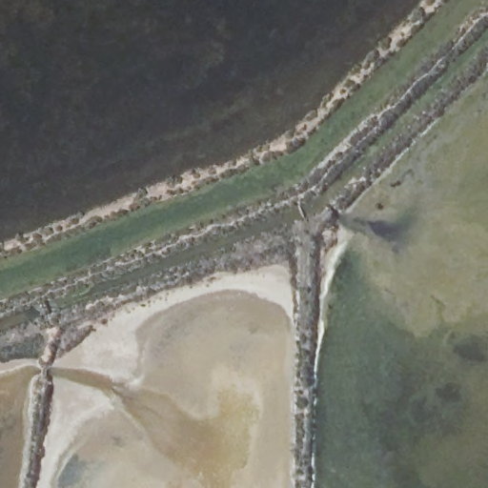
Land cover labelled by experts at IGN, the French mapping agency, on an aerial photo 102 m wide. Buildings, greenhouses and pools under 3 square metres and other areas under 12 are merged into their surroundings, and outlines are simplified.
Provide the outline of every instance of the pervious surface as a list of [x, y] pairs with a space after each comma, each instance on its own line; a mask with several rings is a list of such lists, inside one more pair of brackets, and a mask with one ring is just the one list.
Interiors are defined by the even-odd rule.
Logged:
[[135, 330], [154, 313], [164, 311], [175, 303], [189, 301], [198, 295], [213, 294], [221, 290], [244, 290], [261, 299], [278, 303], [286, 311], [288, 318], [294, 318], [295, 315], [288, 265], [269, 265], [248, 273], [208, 274], [193, 286], [152, 295], [149, 301], [145, 301], [145, 307], [132, 303], [116, 311], [107, 324], [97, 324], [95, 332], [88, 335], [76, 349], [72, 349], [71, 353], [57, 356], [53, 368], [86, 370], [99, 376], [111, 377], [112, 381], [124, 381], [135, 368]]
[[40, 480], [36, 488], [50, 488], [51, 478], [55, 475], [57, 457], [69, 446], [82, 421], [90, 417], [105, 416], [112, 410], [112, 402], [103, 391], [74, 383], [69, 379], [53, 379], [50, 427], [48, 435], [44, 438], [46, 454], [42, 457]]
[[23, 416], [25, 442], [17, 488], [25, 488], [29, 475], [36, 396], [46, 393], [44, 389], [36, 387], [36, 376], [30, 377], [27, 389], [27, 408]]
[[191, 173], [183, 173], [183, 179], [175, 183], [177, 189], [191, 187], [208, 177], [217, 177], [221, 173], [238, 170], [250, 164], [244, 156], [229, 160], [221, 166], [208, 166], [204, 170], [200, 168]]
[[99, 454], [99, 459], [107, 467], [99, 473], [99, 477], [86, 482], [86, 488], [204, 488], [202, 473], [194, 475], [191, 469], [179, 467], [168, 457], [158, 454], [152, 448], [151, 442], [135, 440], [128, 446], [116, 446], [112, 452]]
[[320, 349], [326, 330], [328, 292], [334, 278], [335, 265], [351, 238], [351, 231], [339, 227], [337, 246], [322, 263], [324, 276], [320, 284], [320, 315], [313, 364], [313, 372], [318, 372]]
[[368, 126], [364, 118], [339, 141], [339, 145], [335, 145], [334, 149], [316, 164], [318, 168], [326, 168], [328, 162], [332, 162], [339, 152], [347, 151], [356, 133], [362, 132]]
[[42, 366], [36, 358], [0, 362], [0, 376], [13, 374], [23, 368], [36, 368]]
[[132, 194], [80, 215], [78, 221], [82, 227], [88, 225], [95, 217], [107, 217], [120, 210], [128, 210], [135, 202], [135, 196]]

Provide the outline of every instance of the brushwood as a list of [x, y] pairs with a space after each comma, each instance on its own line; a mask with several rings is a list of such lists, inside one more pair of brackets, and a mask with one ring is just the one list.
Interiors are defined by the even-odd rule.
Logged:
[[[284, 185], [278, 185], [267, 193], [255, 194], [252, 198], [196, 217], [191, 223], [183, 223], [172, 229], [154, 233], [149, 238], [143, 238], [139, 244], [126, 246], [122, 250], [112, 250], [111, 255], [105, 259], [97, 259], [95, 263], [82, 265], [76, 271], [65, 273], [63, 276], [46, 278], [38, 286], [6, 292], [0, 297], [0, 318], [11, 315], [23, 307], [34, 307], [38, 311], [34, 322], [27, 328], [17, 328], [8, 334], [0, 335], [0, 362], [36, 358], [42, 366], [36, 368], [36, 376], [36, 387], [44, 389], [46, 393], [36, 396], [29, 475], [25, 488], [36, 488], [40, 480], [42, 457], [46, 454], [44, 438], [48, 435], [50, 427], [53, 379], [53, 368], [57, 356], [71, 353], [72, 349], [76, 349], [88, 335], [95, 332], [97, 324], [107, 324], [116, 311], [132, 303], [145, 307], [145, 301], [149, 301], [152, 295], [193, 286], [208, 274], [248, 273], [269, 265], [288, 265], [295, 315], [299, 316], [295, 370], [295, 488], [315, 488], [316, 456], [307, 450], [307, 444], [311, 438], [315, 438], [315, 435], [309, 433], [309, 412], [318, 404], [318, 398], [311, 391], [318, 387], [318, 372], [313, 372], [313, 364], [320, 315], [320, 284], [324, 276], [322, 263], [337, 246], [339, 227], [339, 215], [347, 215], [347, 208], [360, 194], [372, 187], [374, 177], [395, 160], [396, 154], [400, 154], [412, 143], [416, 145], [421, 139], [425, 139], [425, 135], [433, 132], [438, 126], [438, 116], [444, 116], [446, 109], [459, 99], [461, 91], [475, 84], [484, 69], [488, 71], [488, 0], [482, 0], [480, 6], [471, 11], [450, 34], [446, 34], [433, 50], [427, 51], [427, 55], [419, 59], [414, 71], [408, 72], [364, 118], [368, 126], [362, 132], [356, 133], [347, 151], [339, 152], [332, 162], [328, 162], [326, 168], [318, 168], [316, 164], [309, 172], [295, 177], [294, 181], [286, 181]], [[324, 210], [305, 217], [303, 198], [318, 191], [320, 194], [328, 194]], [[151, 274], [149, 278], [143, 278], [135, 292], [130, 294], [105, 295], [97, 299], [91, 299], [88, 294], [93, 284], [118, 278], [126, 271], [141, 267], [145, 257], [164, 255], [168, 250], [179, 248], [183, 242], [189, 242], [191, 238], [202, 238], [213, 233], [215, 229], [240, 225], [257, 215], [269, 215], [278, 208], [290, 206], [292, 202], [297, 202], [297, 219], [294, 225], [288, 223], [269, 233], [259, 234], [259, 238], [254, 236], [244, 242], [236, 242], [231, 248], [221, 248], [213, 252], [212, 257], [208, 259], [191, 259], [187, 263], [166, 269], [166, 273]]]
[[324, 97], [318, 111], [307, 112], [305, 118], [297, 122], [294, 130], [284, 133], [288, 145], [305, 139], [309, 132], [322, 122], [322, 118], [334, 109], [335, 103], [347, 97], [351, 90], [355, 90], [356, 84], [362, 82], [366, 74], [372, 74], [377, 65], [383, 63], [385, 55], [398, 50], [398, 42], [406, 38], [414, 27], [419, 27], [431, 11], [437, 10], [442, 0], [421, 0], [416, 8], [408, 13], [402, 25], [398, 25], [387, 38], [381, 38], [377, 48], [372, 48], [364, 55], [360, 71], [343, 76], [341, 82], [335, 86], [334, 93]]
[[149, 189], [137, 189], [132, 194], [135, 196], [135, 202], [128, 210], [135, 215], [152, 208], [162, 208], [168, 202], [166, 183], [152, 185]]
[[53, 221], [44, 227], [38, 227], [30, 233], [19, 234], [17, 238], [11, 238], [8, 242], [0, 242], [0, 265], [15, 259], [23, 259], [27, 254], [36, 254], [53, 246], [61, 246], [80, 234], [91, 233], [99, 227], [105, 227], [111, 223], [111, 219], [107, 217], [95, 217], [88, 225], [82, 227], [78, 221], [80, 215], [74, 213], [61, 221]]
[[263, 145], [261, 149], [252, 149], [244, 156], [250, 164], [238, 170], [221, 173], [217, 177], [208, 177], [191, 187], [194, 193], [200, 193], [212, 189], [219, 181], [229, 181], [250, 170], [261, 168], [263, 158], [273, 152], [271, 143]]

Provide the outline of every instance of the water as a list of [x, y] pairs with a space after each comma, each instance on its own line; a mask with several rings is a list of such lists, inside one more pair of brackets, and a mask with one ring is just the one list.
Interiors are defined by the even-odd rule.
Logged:
[[433, 132], [425, 135], [425, 139], [421, 139], [416, 145], [412, 143], [400, 154], [396, 154], [395, 160], [374, 177], [372, 187], [360, 194], [347, 208], [347, 215], [339, 215], [339, 227], [351, 231], [351, 238], [335, 265], [334, 278], [328, 292], [326, 330], [320, 349], [318, 372], [318, 387], [311, 391], [318, 398], [318, 404], [309, 412], [309, 433], [315, 435], [315, 438], [311, 438], [307, 444], [307, 450], [316, 456], [315, 488], [488, 488], [488, 71], [484, 69], [475, 84], [461, 91], [459, 99], [446, 109], [444, 116], [438, 116], [438, 126]]
[[124, 381], [112, 381], [111, 377], [99, 376], [86, 370], [53, 368], [53, 379], [69, 379], [74, 383], [103, 391], [112, 402], [112, 410], [105, 416], [90, 417], [82, 421], [69, 446], [57, 457], [55, 475], [51, 478], [50, 488], [86, 488], [86, 482], [99, 477], [99, 473], [107, 467], [99, 459], [99, 454], [112, 452], [116, 446], [128, 446], [135, 440], [151, 442], [152, 448], [158, 454], [168, 457], [179, 467], [191, 469], [194, 475], [202, 473], [204, 488], [295, 488], [295, 370], [299, 316], [295, 315], [294, 318], [288, 318], [286, 311], [278, 303], [261, 299], [244, 290], [221, 290], [213, 294], [198, 295], [189, 301], [175, 303], [164, 311], [154, 313], [135, 330], [135, 368]]
[[30, 377], [36, 376], [36, 368], [23, 368], [13, 374], [0, 376], [0, 488], [17, 488], [25, 442], [23, 416], [27, 408], [27, 389]]
[[[294, 181], [295, 177], [309, 172], [316, 164], [334, 149], [335, 145], [339, 145], [339, 141], [364, 118], [408, 72], [414, 71], [419, 59], [427, 55], [427, 51], [433, 50], [446, 34], [450, 34], [471, 11], [480, 6], [482, 0], [442, 0], [437, 10], [431, 11], [419, 27], [414, 27], [406, 38], [398, 42], [398, 50], [385, 55], [383, 63], [377, 65], [372, 74], [366, 74], [362, 82], [356, 84], [355, 90], [351, 90], [347, 97], [335, 103], [334, 109], [322, 118], [322, 122], [309, 132], [305, 139], [288, 145], [284, 133], [294, 130], [297, 122], [305, 118], [307, 112], [318, 111], [324, 97], [334, 93], [335, 86], [341, 82], [343, 76], [360, 71], [364, 55], [372, 48], [377, 48], [381, 38], [387, 38], [398, 25], [402, 25], [408, 13], [416, 8], [421, 0], [0, 0], [0, 242], [8, 242], [11, 238], [17, 238], [19, 234], [30, 233], [38, 227], [44, 227], [53, 221], [61, 221], [74, 213], [80, 215], [132, 194], [137, 189], [149, 189], [152, 185], [166, 183], [168, 202], [162, 208], [152, 208], [135, 215], [128, 210], [120, 210], [107, 217], [111, 219], [111, 223], [105, 227], [99, 227], [91, 233], [80, 234], [61, 246], [53, 246], [36, 254], [27, 254], [23, 259], [15, 259], [0, 265], [0, 297], [6, 292], [38, 286], [46, 278], [63, 276], [65, 273], [76, 271], [82, 265], [95, 263], [97, 259], [105, 259], [111, 255], [112, 250], [122, 250], [126, 246], [139, 244], [143, 238], [149, 238], [154, 233], [172, 229], [183, 223], [191, 223], [196, 217], [252, 198], [255, 194], [267, 193], [278, 185], [284, 185], [286, 181]], [[219, 181], [212, 189], [200, 193], [194, 193], [191, 187], [177, 189], [175, 183], [183, 179], [183, 173], [191, 173], [200, 168], [204, 170], [208, 166], [221, 166], [229, 160], [244, 156], [252, 149], [261, 149], [263, 145], [271, 143], [273, 152], [263, 158], [261, 168], [250, 170], [229, 181]]]
[[320, 194], [318, 191], [303, 198], [305, 217], [324, 210], [328, 194]]
[[0, 335], [8, 334], [17, 328], [27, 328], [34, 322], [38, 311], [34, 307], [23, 307], [11, 315], [0, 318]]
[[168, 250], [164, 255], [145, 257], [141, 267], [126, 271], [118, 278], [93, 284], [88, 294], [91, 299], [97, 299], [105, 295], [130, 294], [135, 292], [143, 278], [149, 278], [151, 274], [166, 273], [166, 269], [187, 263], [191, 259], [208, 259], [212, 257], [213, 252], [221, 248], [231, 248], [236, 242], [244, 242], [254, 236], [259, 238], [259, 234], [269, 233], [288, 223], [294, 225], [297, 219], [297, 202], [292, 202], [290, 206], [278, 208], [269, 215], [257, 215], [240, 225], [215, 229], [213, 233], [202, 238], [191, 238], [189, 242], [183, 242], [179, 248]]

